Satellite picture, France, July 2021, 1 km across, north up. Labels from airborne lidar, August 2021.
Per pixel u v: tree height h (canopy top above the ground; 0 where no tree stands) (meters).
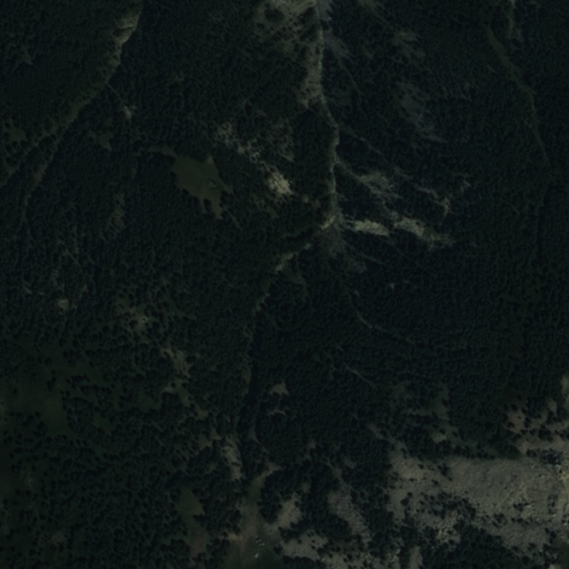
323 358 21
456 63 22
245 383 20
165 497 23
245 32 6
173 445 9
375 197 8
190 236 25
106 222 20
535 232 24
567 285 22
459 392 17
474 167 19
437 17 16
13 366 7
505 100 23
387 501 11
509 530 0
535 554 9
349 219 7
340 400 25
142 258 17
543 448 0
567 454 0
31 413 0
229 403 22
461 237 12
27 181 25
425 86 12
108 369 22
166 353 10
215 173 0
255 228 20
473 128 9
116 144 17
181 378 10
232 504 10
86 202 26
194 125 13
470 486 0
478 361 11
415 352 17
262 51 25
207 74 22
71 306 9
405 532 15
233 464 8
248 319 26
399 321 12
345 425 25
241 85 25
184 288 16
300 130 27
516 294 15
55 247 27
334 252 6
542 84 14
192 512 0
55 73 28
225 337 27
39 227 28
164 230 26
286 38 8
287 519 0
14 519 0
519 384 20
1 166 25
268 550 0
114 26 21
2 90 26
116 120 16
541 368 18
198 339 24
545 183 22
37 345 7
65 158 26
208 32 13
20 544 0
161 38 16
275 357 28
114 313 11
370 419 23
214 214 16
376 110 18
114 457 23
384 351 19
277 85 26
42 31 27
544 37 22
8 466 0
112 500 21
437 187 10
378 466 21
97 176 28
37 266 15
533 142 26
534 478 0
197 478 21
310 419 28
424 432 19
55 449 14
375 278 13
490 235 19
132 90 13
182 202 28
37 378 9
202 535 0
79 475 19
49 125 22
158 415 24
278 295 25
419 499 0
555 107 19
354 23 20
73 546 20
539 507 0
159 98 18
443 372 14
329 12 0
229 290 23
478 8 19
